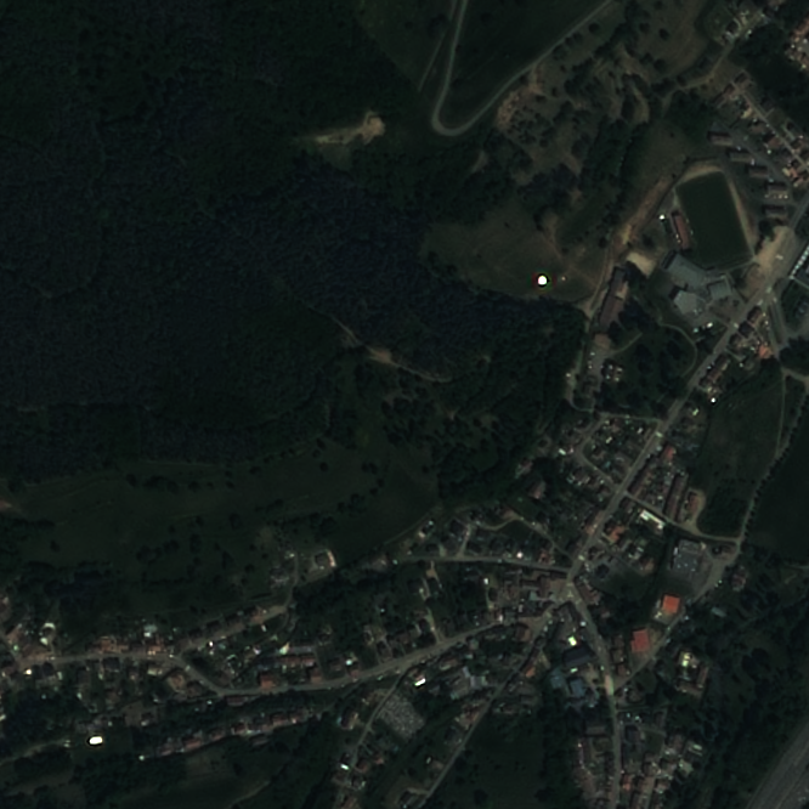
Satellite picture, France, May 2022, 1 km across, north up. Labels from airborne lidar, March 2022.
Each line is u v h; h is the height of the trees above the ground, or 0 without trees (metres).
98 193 25
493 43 0
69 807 0
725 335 0
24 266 21
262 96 8
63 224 22
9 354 22
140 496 0
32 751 0
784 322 0
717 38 0
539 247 0
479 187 18
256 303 15
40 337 20
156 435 26
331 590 12
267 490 0
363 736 0
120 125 16
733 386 9
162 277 19
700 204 0
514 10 0
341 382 29
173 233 21
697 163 0
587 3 0
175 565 0
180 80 15
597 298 0
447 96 0
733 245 0
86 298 16
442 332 25
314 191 39
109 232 24
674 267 0
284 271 26
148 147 14
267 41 17
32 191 24
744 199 0
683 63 0
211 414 15
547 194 24
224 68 8
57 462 28
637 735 0
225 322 17
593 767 0
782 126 0
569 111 9
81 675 0
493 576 0
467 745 0
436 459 14
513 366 10
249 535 0
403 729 0
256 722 0
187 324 16
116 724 7
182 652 0
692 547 0
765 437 0
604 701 12
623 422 0
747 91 0
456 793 0
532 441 14
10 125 9
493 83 0
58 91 21
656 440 0
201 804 0
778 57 0
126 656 0
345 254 33
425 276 29
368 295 24
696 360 0
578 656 0
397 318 25
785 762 0
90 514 0
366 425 0
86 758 0
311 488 0
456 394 10
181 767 8
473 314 19
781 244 0
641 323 41
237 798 0
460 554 0
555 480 9
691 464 11
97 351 27
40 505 0
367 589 16
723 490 0
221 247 28
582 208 0
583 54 0
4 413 18
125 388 28
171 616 0
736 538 0
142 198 23
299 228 22
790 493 0
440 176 21
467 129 0
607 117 10
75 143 19
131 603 0
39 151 17
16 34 23
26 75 20
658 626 0
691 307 0
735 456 0
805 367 0
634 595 11
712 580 0
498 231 0
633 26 9
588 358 0
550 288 0
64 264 21
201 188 11
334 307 24
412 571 0
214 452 24
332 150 0
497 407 9
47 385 21
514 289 0
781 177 0
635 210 0
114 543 0
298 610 13
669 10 0
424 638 9
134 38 21
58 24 17
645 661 0
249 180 6
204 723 9
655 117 10
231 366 13
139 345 22
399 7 0
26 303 23
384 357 0
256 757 0
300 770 19
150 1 23
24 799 9
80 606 20
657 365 0
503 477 17
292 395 11
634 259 0
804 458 0
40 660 0
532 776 0
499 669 0
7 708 11
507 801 0
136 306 23
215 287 17
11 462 19
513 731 7
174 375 18
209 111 32
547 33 0
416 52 0
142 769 8
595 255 0
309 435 9
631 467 0
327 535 21
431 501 0
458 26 0
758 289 0
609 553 0
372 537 0
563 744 10
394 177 13
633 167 14
